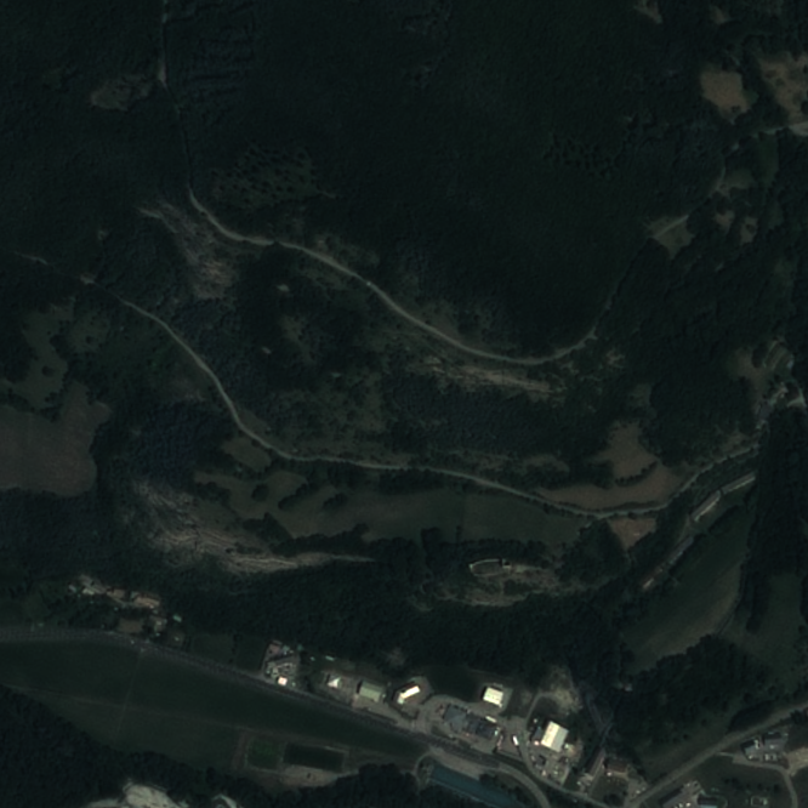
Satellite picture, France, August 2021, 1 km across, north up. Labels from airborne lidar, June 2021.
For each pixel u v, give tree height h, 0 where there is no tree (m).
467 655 13
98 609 7
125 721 0
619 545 14
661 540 8
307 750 0
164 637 9
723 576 0
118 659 0
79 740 21
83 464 0
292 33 17
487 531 0
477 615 12
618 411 13
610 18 15
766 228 13
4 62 16
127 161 12
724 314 15
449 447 10
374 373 9
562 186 19
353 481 16
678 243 0
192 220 9
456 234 18
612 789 0
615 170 20
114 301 15
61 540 16
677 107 23
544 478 10
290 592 10
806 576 12
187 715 0
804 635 13
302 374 9
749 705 15
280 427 8
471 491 13
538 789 0
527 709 0
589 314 17
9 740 21
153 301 9
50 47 20
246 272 7
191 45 16
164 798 0
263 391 9
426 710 0
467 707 0
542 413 10
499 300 19
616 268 18
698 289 19
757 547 12
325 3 15
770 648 0
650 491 0
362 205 17
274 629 17
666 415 12
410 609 9
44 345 0
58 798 19
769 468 14
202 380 0
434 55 15
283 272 8
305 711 0
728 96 0
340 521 0
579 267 15
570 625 14
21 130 15
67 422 0
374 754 0
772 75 0
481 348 0
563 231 14
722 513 0
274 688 0
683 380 19
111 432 12
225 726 0
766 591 26
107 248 16
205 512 0
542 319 15
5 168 17
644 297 20
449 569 13
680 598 0
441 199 12
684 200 18
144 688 0
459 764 0
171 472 8
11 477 0
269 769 0
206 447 13
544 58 26
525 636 11
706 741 0
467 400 13
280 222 8
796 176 18
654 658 0
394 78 18
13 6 15
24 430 0
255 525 9
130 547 7
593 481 13
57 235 19
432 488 6
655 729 7
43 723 12
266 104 14
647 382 12
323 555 24
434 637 15
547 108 22
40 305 11
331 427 6
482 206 14
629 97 24
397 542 13
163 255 15
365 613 13
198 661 0
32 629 0
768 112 19
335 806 12
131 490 5
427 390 11
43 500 8
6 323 23
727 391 17
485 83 11
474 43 15
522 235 12
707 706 13
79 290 18
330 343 9
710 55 28
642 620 7
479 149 22
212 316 9
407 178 16
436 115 17
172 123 23
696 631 0
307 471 11
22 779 17
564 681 0
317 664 0
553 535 0
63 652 0
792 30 11
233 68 16
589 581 14
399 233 6
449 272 16
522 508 0
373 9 14
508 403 12
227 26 7
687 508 11
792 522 18
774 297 9
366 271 11
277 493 0
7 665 0
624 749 6
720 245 16
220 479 0
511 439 12
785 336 11
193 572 8
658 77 13
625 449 0
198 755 0
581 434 13
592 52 22
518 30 17
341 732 0
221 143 17
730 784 10
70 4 23
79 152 17
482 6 17
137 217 12
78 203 17
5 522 10
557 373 10
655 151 24
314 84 13
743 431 10
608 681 13
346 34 18
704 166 21
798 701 14
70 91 21
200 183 11
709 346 18
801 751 0
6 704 15
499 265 19
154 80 10
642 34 16
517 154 17
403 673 10
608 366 7
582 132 24
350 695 0
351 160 15
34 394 0
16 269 16
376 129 15
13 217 12
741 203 9
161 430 13
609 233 19
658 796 0
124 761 13
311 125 16
